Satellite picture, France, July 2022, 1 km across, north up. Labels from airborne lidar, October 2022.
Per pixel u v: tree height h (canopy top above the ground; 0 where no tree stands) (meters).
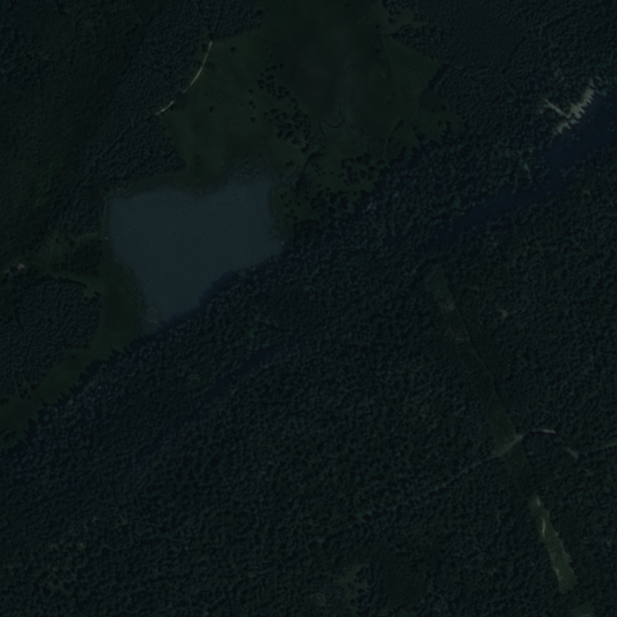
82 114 29
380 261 32
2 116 23
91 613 22
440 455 7
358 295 28
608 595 21
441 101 6
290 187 0
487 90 14
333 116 0
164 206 0
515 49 18
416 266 14
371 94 0
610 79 8
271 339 33
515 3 24
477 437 16
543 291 19
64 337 17
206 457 23
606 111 29
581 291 21
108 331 0
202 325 33
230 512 24
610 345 22
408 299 26
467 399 12
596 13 33
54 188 28
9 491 36
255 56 0
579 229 15
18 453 23
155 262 0
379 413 7
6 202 15
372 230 26
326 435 9
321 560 21
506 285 10
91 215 19
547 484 18
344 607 19
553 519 6
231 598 24
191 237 0
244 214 0
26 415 0
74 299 23
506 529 22
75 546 12
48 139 19
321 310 32
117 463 28
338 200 23
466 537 20
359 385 13
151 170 22
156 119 15
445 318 14
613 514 21
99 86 25
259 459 19
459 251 28
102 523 20
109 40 23
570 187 20
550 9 27
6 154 18
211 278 0
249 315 32
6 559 24
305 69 0
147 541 15
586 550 23
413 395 22
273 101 0
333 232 10
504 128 13
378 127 0
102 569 20
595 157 19
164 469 23
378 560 25
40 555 22
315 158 15
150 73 28
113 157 15
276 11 0
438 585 21
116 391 38
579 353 22
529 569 23
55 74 18
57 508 29
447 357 19
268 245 0
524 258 21
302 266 29
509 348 16
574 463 14
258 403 11
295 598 19
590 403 6
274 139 0
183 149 0
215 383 27
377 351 18
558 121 20
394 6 21
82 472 34
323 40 0
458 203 18
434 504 11
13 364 28
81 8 17
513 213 19
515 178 24
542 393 17
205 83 0
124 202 0
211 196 0
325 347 25
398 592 24
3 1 28
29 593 26
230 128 0
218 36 20
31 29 22
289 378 31
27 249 25
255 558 17
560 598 18
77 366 0
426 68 0
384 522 22
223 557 14
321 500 9
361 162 14
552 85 21
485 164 16
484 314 11
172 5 16
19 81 20
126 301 0
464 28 20
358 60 0
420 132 12
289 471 24
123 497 17
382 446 8
